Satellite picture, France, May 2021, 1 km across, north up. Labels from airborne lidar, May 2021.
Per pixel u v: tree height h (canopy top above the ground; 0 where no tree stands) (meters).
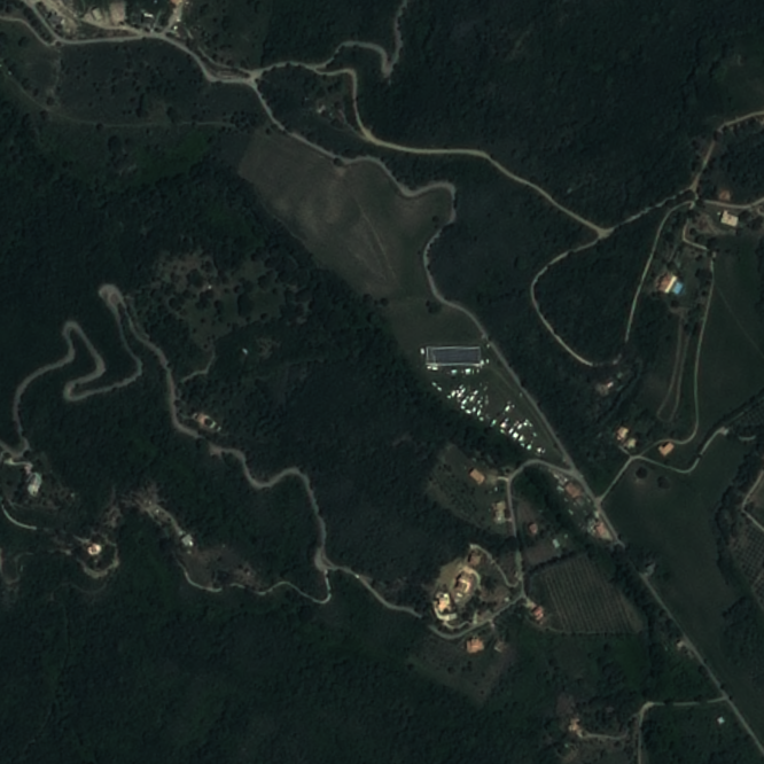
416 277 0
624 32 6
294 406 7
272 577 10
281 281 7
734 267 0
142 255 10
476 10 7
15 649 7
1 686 6
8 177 6
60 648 5
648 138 10
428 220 0
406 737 9
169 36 7
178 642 7
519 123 8
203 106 7
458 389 0
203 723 11
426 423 13
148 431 10
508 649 0
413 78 11
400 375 17
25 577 6
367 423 6
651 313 9
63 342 6
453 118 7
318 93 7
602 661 12
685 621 0
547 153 6
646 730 14
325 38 8
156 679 6
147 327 13
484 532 7
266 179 0
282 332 6
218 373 6
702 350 0
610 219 9
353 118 7
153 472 6
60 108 0
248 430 7
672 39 6
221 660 8
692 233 7
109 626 9
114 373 7
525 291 7
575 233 10
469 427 12
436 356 0
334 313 17
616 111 10
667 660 7
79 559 20
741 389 0
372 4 6
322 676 6
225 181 18
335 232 0
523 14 7
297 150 0
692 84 8
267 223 15
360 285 0
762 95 0
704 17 9
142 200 13
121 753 7
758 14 10
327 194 0
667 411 0
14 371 6
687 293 0
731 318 0
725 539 6
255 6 9
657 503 0
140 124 0
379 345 20
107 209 10
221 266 10
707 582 0
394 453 7
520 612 10
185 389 9
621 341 7
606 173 8
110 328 5
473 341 0
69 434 6
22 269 6
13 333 6
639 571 10
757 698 0
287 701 9
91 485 6
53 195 9
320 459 6
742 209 0
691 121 8
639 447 10
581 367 21
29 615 10
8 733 10
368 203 0
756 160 9
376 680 7
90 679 9
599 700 12
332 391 6
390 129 8
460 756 7
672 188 7
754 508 6
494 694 7
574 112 6
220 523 8
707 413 0
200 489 7
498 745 9
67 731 16
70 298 8
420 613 8
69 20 0
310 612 12
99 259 6
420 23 17
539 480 15
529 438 0
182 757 7
